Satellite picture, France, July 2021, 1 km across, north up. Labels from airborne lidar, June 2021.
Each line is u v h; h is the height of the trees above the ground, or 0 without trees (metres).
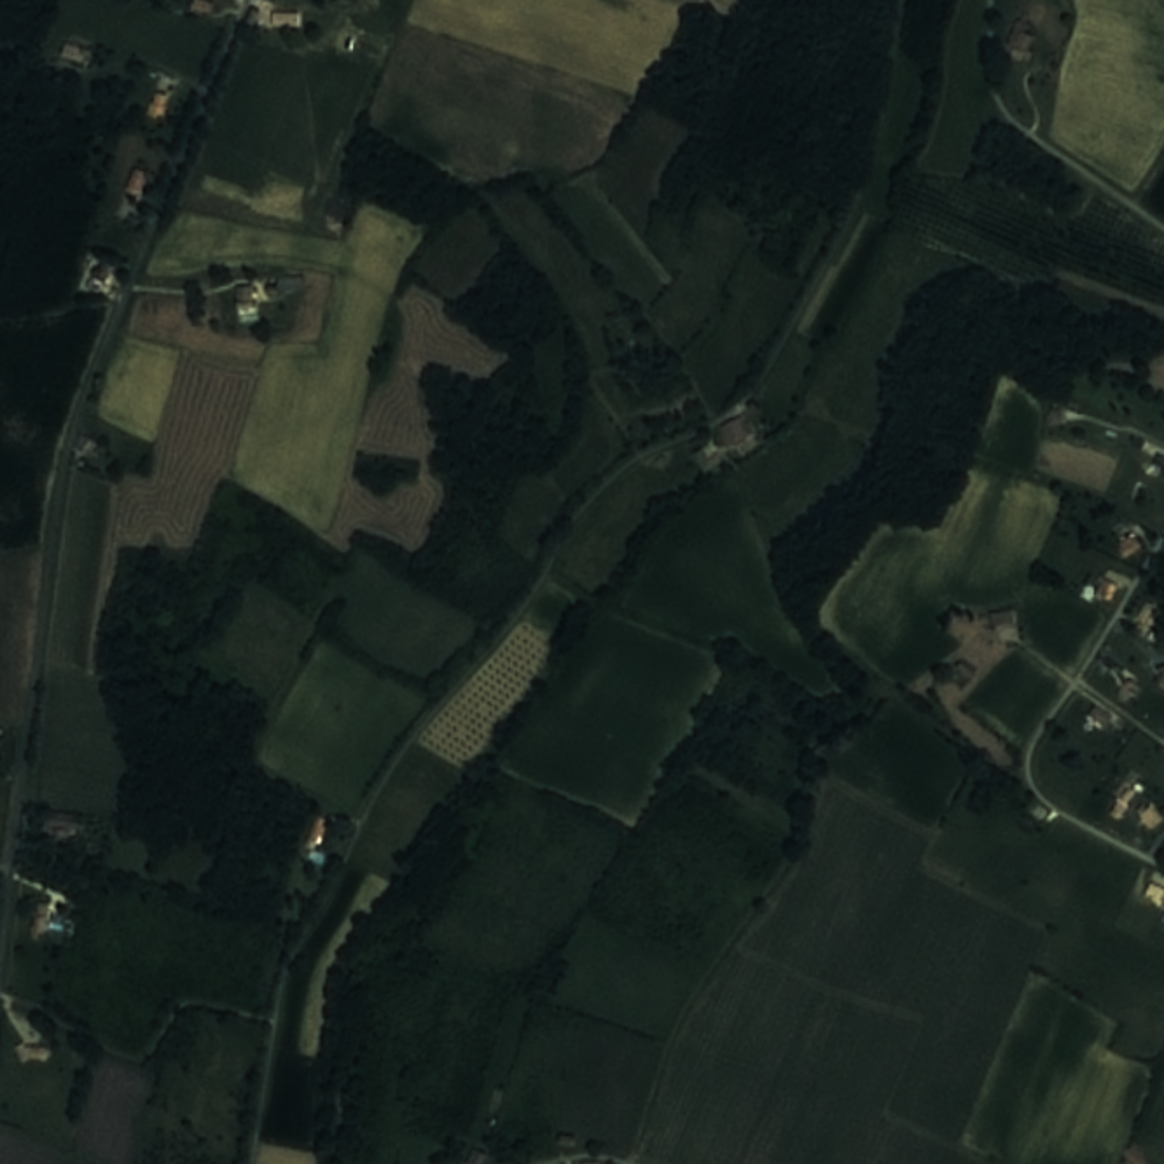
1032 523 0
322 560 6
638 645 0
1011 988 0
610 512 0
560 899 0
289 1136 0
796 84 22
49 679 0
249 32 15
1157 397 8
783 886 0
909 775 0
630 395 9
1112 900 0
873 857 0
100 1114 0
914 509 21
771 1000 0
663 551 0
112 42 0
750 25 19
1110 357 11
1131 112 0
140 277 0
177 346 0
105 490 0
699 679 0
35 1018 12
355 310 0
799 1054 0
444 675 9
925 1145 0
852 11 20
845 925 0
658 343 6
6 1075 0
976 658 0
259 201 0
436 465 10
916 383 17
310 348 0
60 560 0
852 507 20
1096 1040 0
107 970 0
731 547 0
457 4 0
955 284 15
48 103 25
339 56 0
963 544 0
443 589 11
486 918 0
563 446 17
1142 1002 0
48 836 13
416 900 16
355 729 0
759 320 0
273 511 7
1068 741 10
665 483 0
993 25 16
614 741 0
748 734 15
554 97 0
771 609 0
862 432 0
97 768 0
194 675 9
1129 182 0
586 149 0
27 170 17
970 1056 0
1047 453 0
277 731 0
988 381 17
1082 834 0
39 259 11
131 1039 0
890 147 0
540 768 0
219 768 25
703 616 0
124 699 22
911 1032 0
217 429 0
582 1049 0
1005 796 8
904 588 0
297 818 16
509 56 0
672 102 19
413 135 0
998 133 13
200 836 14
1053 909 0
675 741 0
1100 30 0
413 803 0
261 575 8
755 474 0
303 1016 0
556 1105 0
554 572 0
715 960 0
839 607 0
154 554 17
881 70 28
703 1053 0
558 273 0
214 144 0
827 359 0
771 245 12
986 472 0
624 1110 0
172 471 0
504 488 13
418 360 0
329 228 0
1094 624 0
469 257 0
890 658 0
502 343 18
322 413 0
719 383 0
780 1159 0
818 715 18
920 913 0
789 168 24
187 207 0
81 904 11
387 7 0
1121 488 0
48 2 14
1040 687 0
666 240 0
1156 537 9
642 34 0
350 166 13
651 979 0
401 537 0
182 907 9
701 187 16
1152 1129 0
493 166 0
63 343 6
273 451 0
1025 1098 0
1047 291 18
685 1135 0
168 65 0
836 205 10
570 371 11
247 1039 0
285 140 0
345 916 0
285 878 11
